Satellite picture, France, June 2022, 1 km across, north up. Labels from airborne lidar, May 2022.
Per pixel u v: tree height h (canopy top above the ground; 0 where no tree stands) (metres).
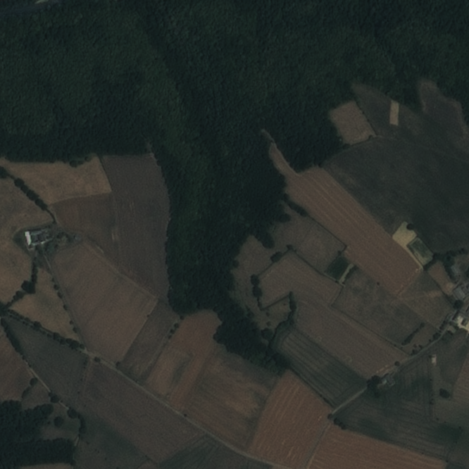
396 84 13
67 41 17
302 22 9
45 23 16
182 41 8
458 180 0
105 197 0
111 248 0
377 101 0
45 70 11
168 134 11
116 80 13
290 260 0
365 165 0
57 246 8
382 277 0
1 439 17
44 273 0
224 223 11
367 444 0
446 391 10
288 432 0
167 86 13
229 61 19
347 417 0
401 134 0
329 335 0
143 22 22
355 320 0
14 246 0
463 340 0
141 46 13
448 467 0
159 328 0
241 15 19
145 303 0
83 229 0
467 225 0
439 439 0
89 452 0
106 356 0
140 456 0
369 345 0
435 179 0
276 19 15
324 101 14
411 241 0
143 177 0
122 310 0
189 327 0
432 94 0
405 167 0
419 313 0
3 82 13
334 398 0
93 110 9
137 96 8
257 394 0
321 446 0
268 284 0
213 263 23
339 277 0
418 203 0
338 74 13
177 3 17
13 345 14
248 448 0
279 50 12
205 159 13
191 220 12
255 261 0
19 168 0
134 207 0
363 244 0
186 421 0
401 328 0
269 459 0
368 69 12
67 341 8
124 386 0
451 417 0
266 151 11
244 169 13
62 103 11
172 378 0
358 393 0
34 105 14
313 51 14
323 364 0
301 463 0
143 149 6
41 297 0
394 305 0
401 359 0
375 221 0
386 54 14
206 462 0
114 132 15
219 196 15
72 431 0
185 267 21
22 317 9
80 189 0
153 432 0
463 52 9
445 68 14
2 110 18
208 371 0
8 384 0
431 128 0
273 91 11
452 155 0
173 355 0
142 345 0
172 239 11
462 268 0
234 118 14
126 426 0
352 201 0
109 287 0
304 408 0
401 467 0
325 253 0
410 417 0
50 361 0
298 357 0
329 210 0
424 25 12
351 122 0
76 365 0
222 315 17
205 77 20
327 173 0
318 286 0
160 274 0
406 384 0
